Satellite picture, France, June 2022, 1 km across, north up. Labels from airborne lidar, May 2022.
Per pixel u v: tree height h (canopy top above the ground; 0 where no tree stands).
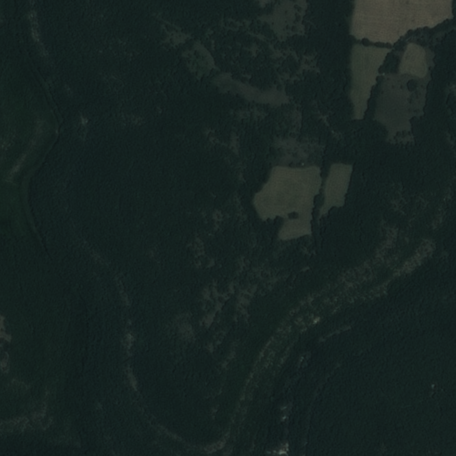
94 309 10
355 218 10
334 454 9
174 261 8
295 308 6
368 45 13
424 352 10
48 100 8
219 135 10
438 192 8
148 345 10
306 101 11
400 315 6
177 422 15
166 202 10
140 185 8
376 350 10
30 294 17
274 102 0
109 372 7
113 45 7
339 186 0
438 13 0
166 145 13
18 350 10
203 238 8
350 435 8
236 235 10
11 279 12
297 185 0
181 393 8
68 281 12
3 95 9
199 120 10
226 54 8
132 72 8
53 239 8
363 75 0
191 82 13
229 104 10
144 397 9
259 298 9
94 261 7
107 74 7
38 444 10
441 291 8
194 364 12
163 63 13
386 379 10
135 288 11
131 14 10
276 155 10
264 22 5
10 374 9
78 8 8
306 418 6
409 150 10
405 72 0
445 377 8
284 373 11
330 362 7
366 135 15
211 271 9
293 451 7
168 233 8
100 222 10
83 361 13
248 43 10
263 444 9
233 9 11
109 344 9
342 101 12
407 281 9
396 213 6
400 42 6
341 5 15
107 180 9
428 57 0
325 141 10
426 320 9
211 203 8
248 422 10
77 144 8
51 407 7
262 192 0
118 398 8
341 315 10
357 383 8
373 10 0
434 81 11
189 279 9
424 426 11
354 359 11
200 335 9
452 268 10
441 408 10
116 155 8
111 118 11
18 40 12
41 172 10
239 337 7
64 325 11
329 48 16
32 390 9
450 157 10
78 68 13
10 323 10
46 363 7
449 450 13
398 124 0
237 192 7
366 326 11
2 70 11
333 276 11
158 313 10
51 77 11
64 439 6
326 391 9
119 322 10
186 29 9
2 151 8
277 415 11
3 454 14
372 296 7
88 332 15
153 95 9
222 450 6
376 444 7
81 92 12
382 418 9
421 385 9
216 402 8
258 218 8
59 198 6
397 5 0
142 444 6
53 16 14
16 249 12
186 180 11
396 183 9
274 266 9
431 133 10
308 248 9
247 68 11
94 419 10
